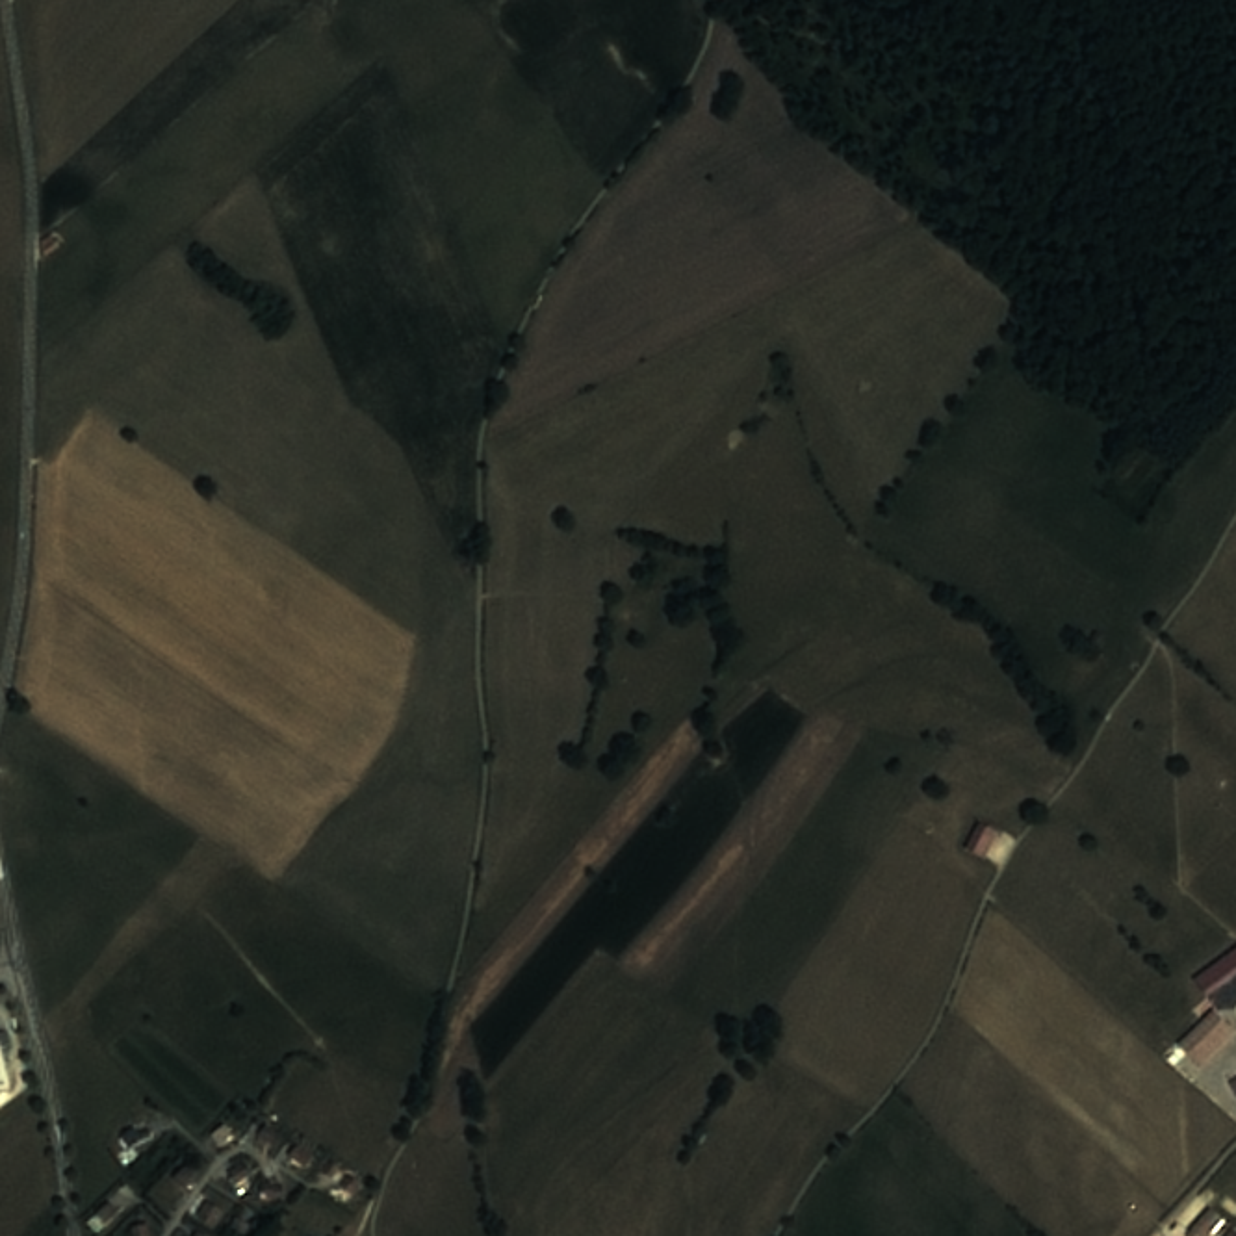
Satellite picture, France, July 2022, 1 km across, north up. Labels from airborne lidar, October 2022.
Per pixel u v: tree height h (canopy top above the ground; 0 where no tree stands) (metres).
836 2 14
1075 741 17
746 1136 0
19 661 0
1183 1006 0
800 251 0
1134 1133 0
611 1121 0
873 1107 0
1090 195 29
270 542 0
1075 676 0
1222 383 23
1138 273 28
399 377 0
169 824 0
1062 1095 0
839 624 0
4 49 0
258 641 0
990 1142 0
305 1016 0
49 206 0
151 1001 0
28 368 0
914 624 0
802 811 0
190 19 0
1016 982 0
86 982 0
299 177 0
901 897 0
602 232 0
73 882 0
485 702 0
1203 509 0
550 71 0
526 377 0
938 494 0
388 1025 0
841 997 0
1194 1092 0
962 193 7
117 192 0
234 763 0
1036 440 0
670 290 0
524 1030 0
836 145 8
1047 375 26
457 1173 0
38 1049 0
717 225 0
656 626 0
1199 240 19
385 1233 0
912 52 20
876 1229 0
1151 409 24
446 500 0
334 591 0
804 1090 0
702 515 0
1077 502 0
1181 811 0
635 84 0
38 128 0
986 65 9
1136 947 11
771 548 0
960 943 0
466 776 0
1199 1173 0
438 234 0
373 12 0
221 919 0
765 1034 21
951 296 0
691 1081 0
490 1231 13
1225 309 28
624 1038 0
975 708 0
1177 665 0
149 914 0
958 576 0
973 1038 0
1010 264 28
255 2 0
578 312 0
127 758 0
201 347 0
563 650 0
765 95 0
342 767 0
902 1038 0
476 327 0
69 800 0
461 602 0
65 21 0
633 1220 0
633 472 0
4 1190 0
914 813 0
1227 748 0
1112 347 31
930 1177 0
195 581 0
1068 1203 0
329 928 0
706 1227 0
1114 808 0
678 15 0
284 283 0
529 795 0
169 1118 0
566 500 0
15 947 0
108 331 0
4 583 0
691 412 0
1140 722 6
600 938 0
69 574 0
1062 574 0
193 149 0
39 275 0
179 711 0
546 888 0
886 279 0
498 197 0
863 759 0
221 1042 0
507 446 0
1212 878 0
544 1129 0
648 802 0
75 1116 0
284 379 0
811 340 0
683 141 0
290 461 0
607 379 0
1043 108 32
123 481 0
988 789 0
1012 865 0
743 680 0
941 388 0
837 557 0
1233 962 0
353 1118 0
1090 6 22
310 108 0
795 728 0
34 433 0
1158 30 21
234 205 0
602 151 0
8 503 0
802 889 0
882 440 0
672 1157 0
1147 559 0
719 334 0
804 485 0
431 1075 16
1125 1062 0
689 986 0
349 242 0
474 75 0
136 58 0
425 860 0
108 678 0
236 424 0
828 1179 0
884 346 0
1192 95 24
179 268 0
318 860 0
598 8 0
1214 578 0
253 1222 7
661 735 0
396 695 0
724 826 0
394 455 0
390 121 0
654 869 0
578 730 0
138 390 0
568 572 0
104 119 0
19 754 0
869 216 0
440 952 0
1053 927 0
